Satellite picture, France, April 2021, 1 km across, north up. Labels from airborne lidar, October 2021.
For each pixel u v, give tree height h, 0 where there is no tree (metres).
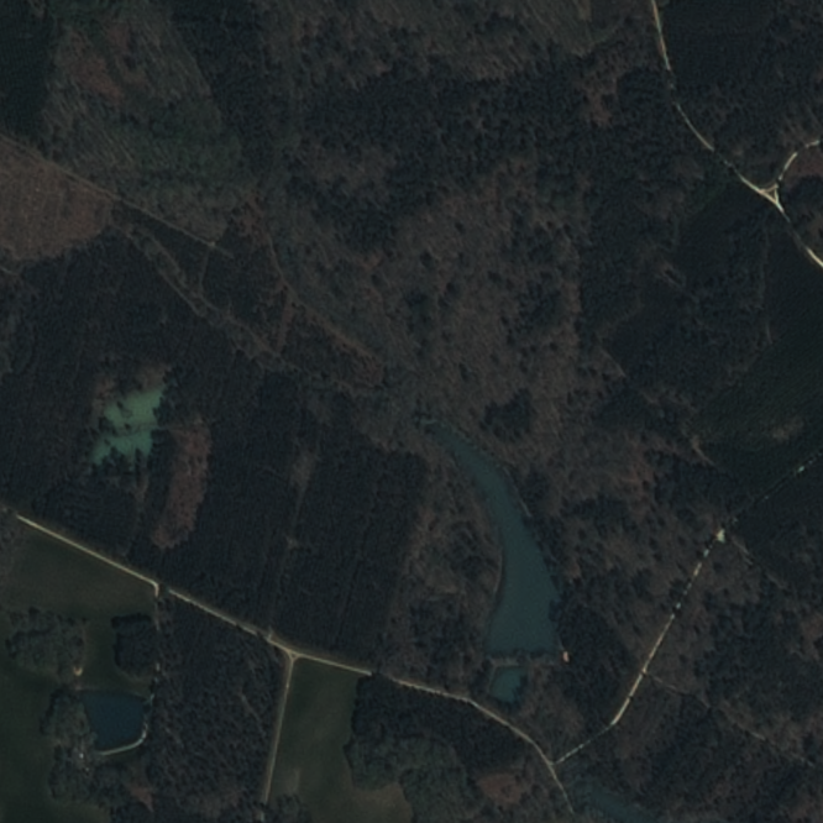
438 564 11
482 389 14
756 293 19
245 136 20
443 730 16
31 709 0
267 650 19
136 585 0
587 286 19
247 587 15
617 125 7
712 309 23
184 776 9
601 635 19
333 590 16
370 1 22
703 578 10
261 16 13
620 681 19
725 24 12
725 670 18
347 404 18
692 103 16
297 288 20
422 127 19
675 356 20
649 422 21
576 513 10
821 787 22
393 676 10
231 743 18
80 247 15
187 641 14
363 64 22
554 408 16
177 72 28
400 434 17
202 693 13
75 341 16
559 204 24
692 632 8
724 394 8
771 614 18
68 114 21
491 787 0
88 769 9
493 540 21
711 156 12
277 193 23
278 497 15
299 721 0
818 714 12
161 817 16
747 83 10
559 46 14
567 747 7
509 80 8
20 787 0
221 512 15
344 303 20
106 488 18
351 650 14
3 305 9
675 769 19
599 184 21
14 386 12
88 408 14
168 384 13
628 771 12
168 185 22
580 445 13
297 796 0
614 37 14
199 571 15
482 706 13
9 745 0
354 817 0
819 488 15
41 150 10
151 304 14
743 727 11
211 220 18
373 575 14
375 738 13
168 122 11
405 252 17
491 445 16
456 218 9
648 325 10
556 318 20
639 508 14
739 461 12
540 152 20
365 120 21
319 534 14
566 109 17
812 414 9
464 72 17
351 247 20
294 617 15
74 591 0
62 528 15
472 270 13
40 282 16
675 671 11
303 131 18
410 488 16
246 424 14
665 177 21
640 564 16
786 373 10
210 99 15
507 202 16
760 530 15
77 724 24
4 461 15
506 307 10
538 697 22
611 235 18
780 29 19
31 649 23
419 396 15
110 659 0
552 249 17
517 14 14
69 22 14
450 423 15
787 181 13
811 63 18
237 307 8
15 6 11
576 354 14
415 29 20
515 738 15
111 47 6
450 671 18
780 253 11
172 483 12
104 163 27
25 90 10
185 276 8
